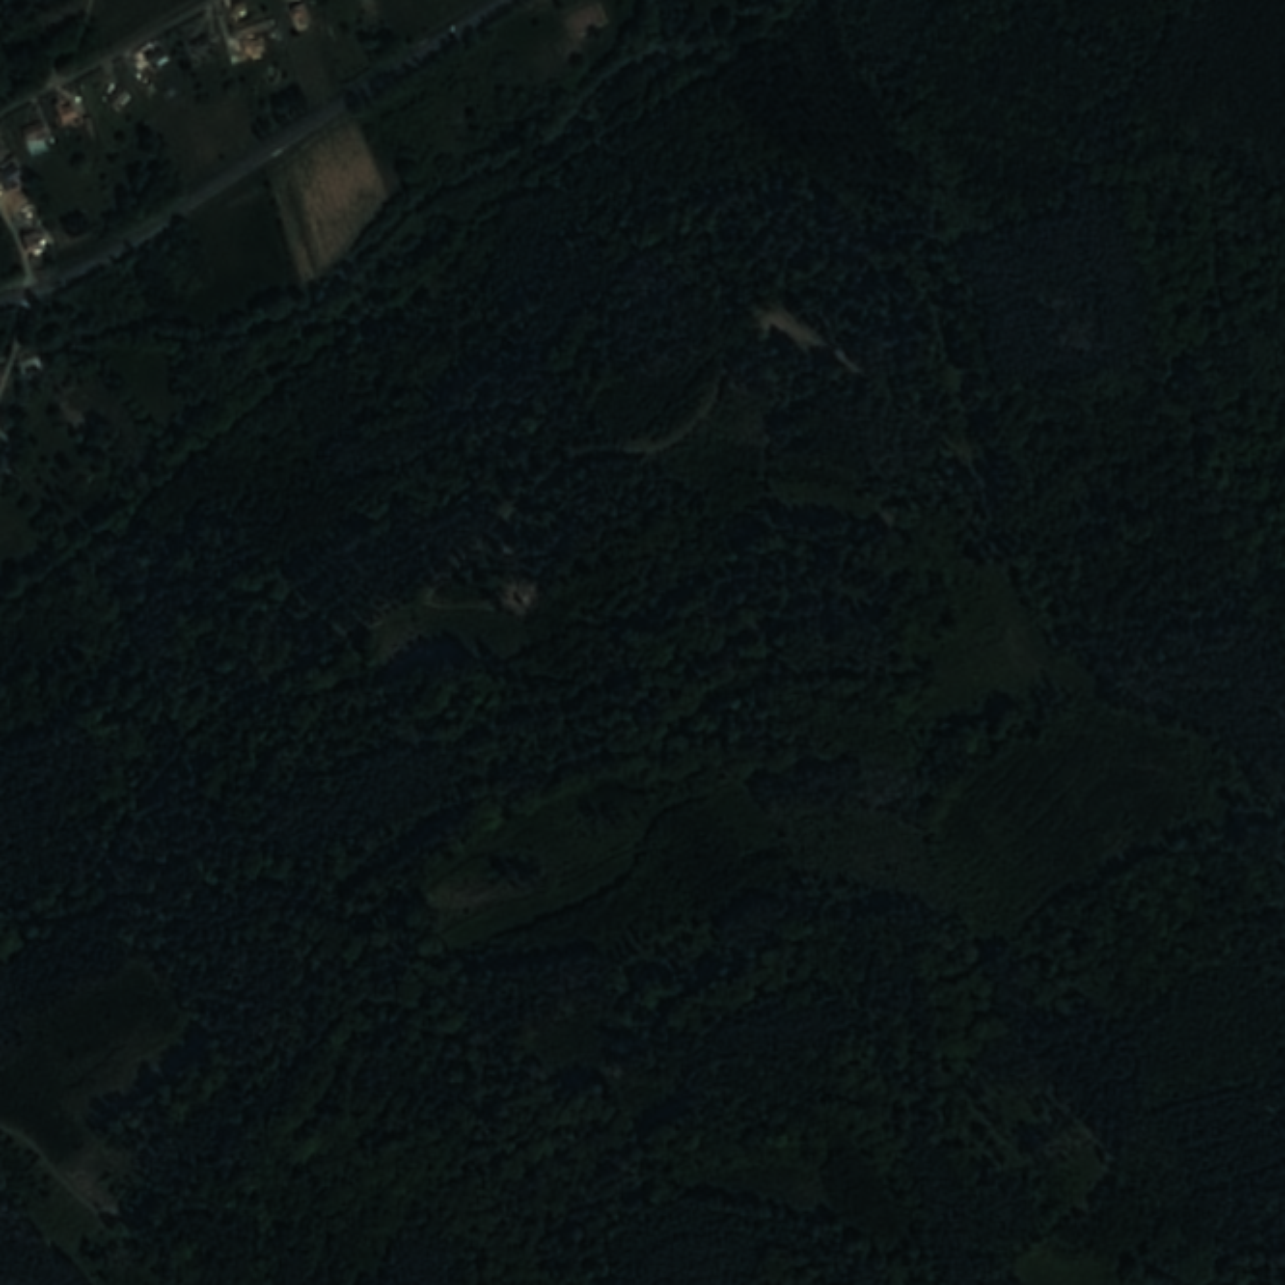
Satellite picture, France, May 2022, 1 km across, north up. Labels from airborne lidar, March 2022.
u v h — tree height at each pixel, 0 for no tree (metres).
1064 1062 32
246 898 30
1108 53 13
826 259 25
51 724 25
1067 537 27
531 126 13
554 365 26
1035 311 29
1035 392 17
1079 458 24
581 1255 20
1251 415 20
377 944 27
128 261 9
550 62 0
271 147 0
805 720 31
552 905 0
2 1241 27
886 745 31
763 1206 17
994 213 25
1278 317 19
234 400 24
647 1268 26
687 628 25
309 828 22
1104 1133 29
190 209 0
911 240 25
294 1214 23
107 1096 0
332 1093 18
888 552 25
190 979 33
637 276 22
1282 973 14
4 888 17
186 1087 25
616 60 13
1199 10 19
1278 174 14
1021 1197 19
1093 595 28
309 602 29
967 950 29
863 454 18
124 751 29
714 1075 20
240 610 28
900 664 24
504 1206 29
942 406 18
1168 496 17
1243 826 27
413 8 0
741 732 27
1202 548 27
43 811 28
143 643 32
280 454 14
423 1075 16
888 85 12
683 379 6
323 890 16
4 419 19
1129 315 28
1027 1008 28
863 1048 25
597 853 0
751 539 28
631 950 27
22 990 27
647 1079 24
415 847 22
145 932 27
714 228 11
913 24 11
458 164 7
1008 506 18
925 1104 26
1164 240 17
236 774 14
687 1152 16
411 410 21
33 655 13
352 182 0
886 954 25
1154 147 18
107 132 0
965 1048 28
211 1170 19
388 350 16
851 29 12
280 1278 23
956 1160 23
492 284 14
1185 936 19
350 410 18
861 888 9
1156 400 26
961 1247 21
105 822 29
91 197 0
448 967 26
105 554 22
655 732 28
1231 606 24
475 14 0
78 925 25
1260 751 28
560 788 24
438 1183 26
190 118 0
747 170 11
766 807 30
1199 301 13
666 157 9
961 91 16
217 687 27
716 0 0
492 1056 13
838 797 35
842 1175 11
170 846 38
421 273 17
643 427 6
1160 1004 21
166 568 31
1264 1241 21
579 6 0
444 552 16
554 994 30
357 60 0
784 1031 27
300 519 13
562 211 14
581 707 23
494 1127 30
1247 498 11
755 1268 27
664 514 12
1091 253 27
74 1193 0
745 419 0
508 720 27
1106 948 22
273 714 18
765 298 18
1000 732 22
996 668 0
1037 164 21
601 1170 31
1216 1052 14
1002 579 0
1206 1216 25
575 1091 26
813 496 0
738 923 29
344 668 23
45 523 17
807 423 21
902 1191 22
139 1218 21
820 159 15
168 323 13
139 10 0
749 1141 15
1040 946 8
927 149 19
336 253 0
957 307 24
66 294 17
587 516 10
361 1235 24
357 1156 23
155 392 0
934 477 10
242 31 0
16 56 20
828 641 30
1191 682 25
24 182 15
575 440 15
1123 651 28
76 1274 28
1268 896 26
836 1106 27
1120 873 18
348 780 20
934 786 29
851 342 28
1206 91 18
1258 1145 21
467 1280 27
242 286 0
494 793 22
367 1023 21
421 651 0
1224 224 19
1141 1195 6
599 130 10
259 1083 17
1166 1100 14
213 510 10
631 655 24
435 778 17
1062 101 17
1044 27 18
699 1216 20
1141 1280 23
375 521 28
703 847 10
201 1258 22
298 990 31
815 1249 23
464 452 24
